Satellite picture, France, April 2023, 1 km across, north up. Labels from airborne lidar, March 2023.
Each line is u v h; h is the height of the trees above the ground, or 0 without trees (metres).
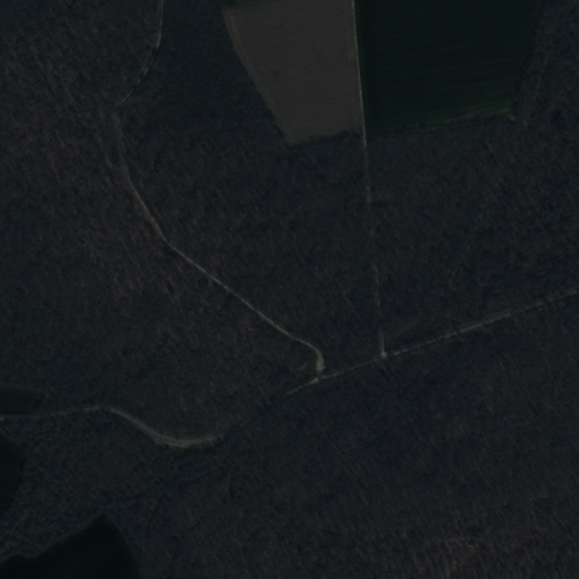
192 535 19
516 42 0
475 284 22
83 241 21
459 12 0
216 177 19
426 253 26
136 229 22
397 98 0
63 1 19
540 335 18
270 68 0
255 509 20
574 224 23
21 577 0
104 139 23
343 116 0
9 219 15
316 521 20
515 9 0
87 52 25
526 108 23
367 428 27
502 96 0
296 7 0
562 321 22
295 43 0
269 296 25
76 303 18
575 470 19
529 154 19
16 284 16
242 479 23
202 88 16
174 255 16
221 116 23
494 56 0
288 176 20
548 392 20
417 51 0
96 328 23
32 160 17
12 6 24
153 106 12
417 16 0
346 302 20
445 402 21
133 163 22
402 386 21
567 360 23
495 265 19
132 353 18
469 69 0
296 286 24
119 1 18
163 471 21
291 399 22
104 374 18
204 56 15
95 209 16
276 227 21
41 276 21
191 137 12
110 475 20
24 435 20
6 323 9
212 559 19
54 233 23
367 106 0
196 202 21
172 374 21
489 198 21
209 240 24
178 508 17
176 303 21
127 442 19
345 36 0
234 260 21
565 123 22
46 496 20
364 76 0
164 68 13
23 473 12
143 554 17
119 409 10
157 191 15
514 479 19
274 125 23
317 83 0
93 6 24
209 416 16
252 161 25
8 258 21
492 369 22
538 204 20
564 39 23
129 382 18
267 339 19
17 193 15
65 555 0
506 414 21
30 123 18
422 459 22
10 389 0
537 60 22
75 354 13
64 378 15
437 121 0
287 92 0
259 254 19
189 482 23
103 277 21
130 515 23
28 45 24
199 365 23
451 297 21
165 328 17
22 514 12
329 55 0
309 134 0
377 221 20
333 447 13
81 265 21
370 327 21
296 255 22
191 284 21
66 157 18
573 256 23
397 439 22
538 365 22
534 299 17
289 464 21
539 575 15
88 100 24
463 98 0
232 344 24
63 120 22
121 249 22
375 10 0
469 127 13
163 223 20
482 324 0
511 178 19
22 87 19
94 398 17
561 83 21
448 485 19
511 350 18
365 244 21
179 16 15
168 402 19
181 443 0
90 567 0
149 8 21
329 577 22
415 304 20
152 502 15
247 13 0
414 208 23
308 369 0
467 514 18
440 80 0
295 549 18
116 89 22
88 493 7
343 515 20
